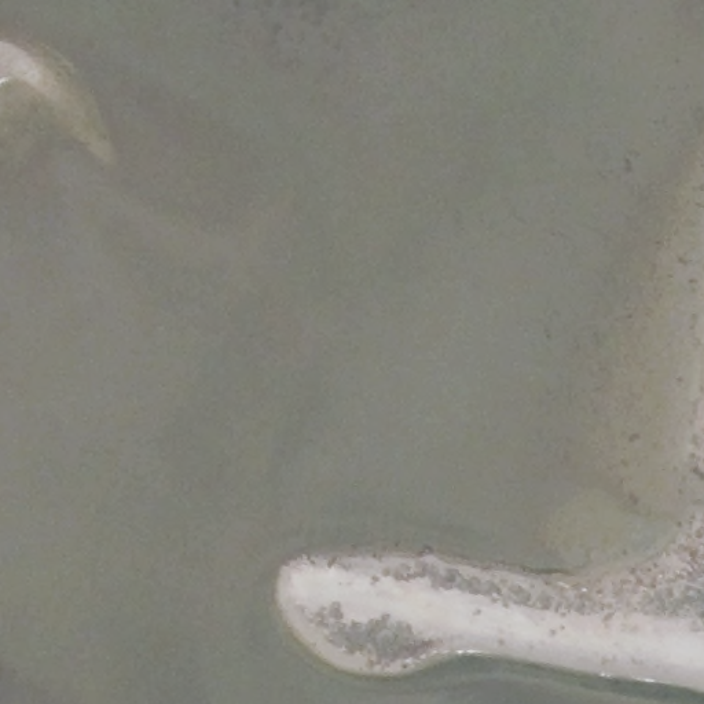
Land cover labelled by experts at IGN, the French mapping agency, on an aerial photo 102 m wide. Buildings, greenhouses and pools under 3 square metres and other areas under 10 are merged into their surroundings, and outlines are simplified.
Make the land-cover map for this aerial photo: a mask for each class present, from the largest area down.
<instances>
[{"label":"water","instance_id":"1","mask_svg":"<svg viewBox=\"0 0 704 704\"><path fill-rule=\"evenodd\" d=\"M0 41L25 50L39 66L52 72L61 85L88 91L107 127V143L113 146V160L102 162L91 154V149L83 140H77L66 127L55 121L52 102L39 96L30 83L11 80L0 88V704H704V688L690 690L679 685L638 682L624 677H597L564 666L509 657L454 655L435 660L424 668H415L410 674L360 671L333 666L294 633L278 602V580L283 567L311 558L325 561L330 553H338L341 558L396 556H440L446 561H462L481 569H509L534 578H572L589 572L591 567H611L627 556H638L655 547L657 539L668 536L674 528H682V517L688 512H693L696 506L704 509V0H0Z\"/></svg>","mask_w":704,"mask_h":704},{"label":"pervious surface","instance_id":"2","mask_svg":"<svg viewBox=\"0 0 704 704\"><path fill-rule=\"evenodd\" d=\"M11 80L30 83L39 96L52 102L55 121L66 127L77 140H83L91 149V154L102 162L113 160V146L107 143V127L88 91L61 85L52 72L39 66L25 50L0 41V88ZM399 569L396 556L341 558L338 553H330L325 561L311 558L283 567L278 580V602L294 633L333 666L360 671L366 668L363 652H347L344 646L330 644V635L322 627H316V611L333 602L341 605L344 619L349 624L391 616L393 622L410 624L418 638H443L465 633L495 641L503 638L512 649L509 657L564 666L597 677H624L638 682L679 685L690 690L704 688V619L616 613L605 627L600 613L558 616L550 611H528L520 605L506 608L490 602V597L457 589H432V583L424 578L393 580Z\"/></svg>","mask_w":704,"mask_h":704},{"label":"brushwood","instance_id":"3","mask_svg":"<svg viewBox=\"0 0 704 704\"><path fill-rule=\"evenodd\" d=\"M399 569L393 580L424 578L432 583V589H457L490 597V602L506 608L520 605L528 611H550L558 616L600 613L605 627L616 613L704 619V509L696 506L693 512H688L682 517V528H674L668 536L657 539L655 547L638 556H627L611 567H591L589 572L572 578H534L509 569H481L462 561H446L440 556H396ZM316 627H322L330 635V644L344 646L347 652H363L366 668L360 671L410 674L415 668H424L435 660L454 655L509 657L512 649L503 638L495 641L465 633L443 638H418L410 624L393 622L391 616L349 624L344 619L341 605L333 602L316 611Z\"/></svg>","mask_w":704,"mask_h":704}]
</instances>
